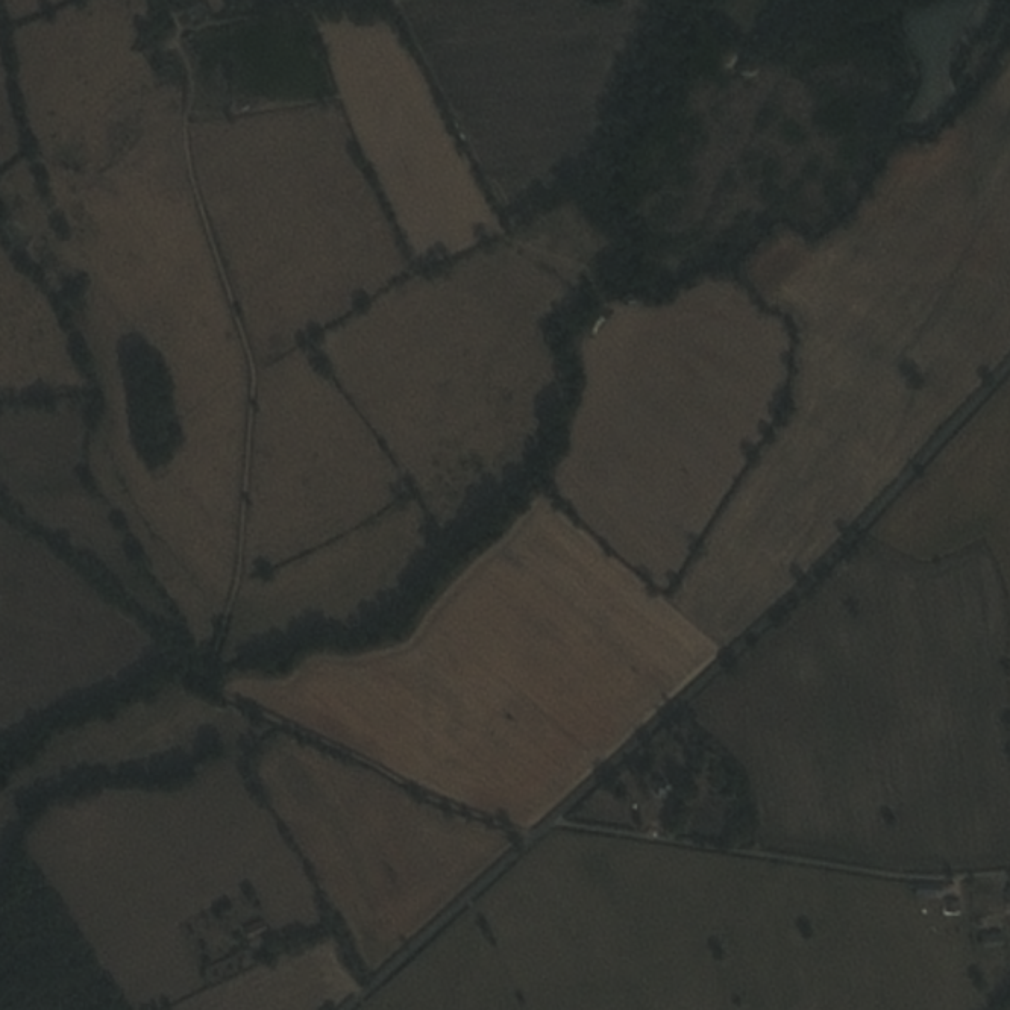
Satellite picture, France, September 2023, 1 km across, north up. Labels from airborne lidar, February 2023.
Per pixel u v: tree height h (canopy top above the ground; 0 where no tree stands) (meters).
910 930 0
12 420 0
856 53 0
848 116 0
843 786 0
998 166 0
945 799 0
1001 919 0
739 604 0
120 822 0
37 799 16
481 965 0
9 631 0
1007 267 0
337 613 0
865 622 0
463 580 0
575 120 0
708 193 0
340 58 0
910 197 0
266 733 0
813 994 0
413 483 13
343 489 0
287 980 0
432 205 0
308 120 0
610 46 0
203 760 11
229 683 0
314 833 0
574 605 0
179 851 0
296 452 0
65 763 0
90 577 17
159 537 0
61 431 0
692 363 0
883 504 0
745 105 0
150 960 0
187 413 0
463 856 0
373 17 17
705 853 0
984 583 0
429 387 0
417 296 0
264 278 0
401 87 0
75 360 17
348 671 0
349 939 13
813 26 25
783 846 0
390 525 0
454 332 0
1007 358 0
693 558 10
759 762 0
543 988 0
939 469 0
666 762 0
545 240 0
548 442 18
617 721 0
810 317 0
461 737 0
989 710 0
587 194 25
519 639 0
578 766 0
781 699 0
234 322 0
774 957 0
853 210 17
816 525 0
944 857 0
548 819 0
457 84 0
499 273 0
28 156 17
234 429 0
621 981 0
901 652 0
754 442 0
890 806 0
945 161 0
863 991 0
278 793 0
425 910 0
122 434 0
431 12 0
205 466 0
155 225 0
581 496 0
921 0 21
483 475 0
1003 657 0
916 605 0
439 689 0
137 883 0
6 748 16
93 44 0
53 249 0
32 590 0
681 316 0
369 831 0
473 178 12
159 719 0
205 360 0
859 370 0
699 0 19
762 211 0
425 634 0
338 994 0
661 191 0
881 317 0
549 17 0
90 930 0
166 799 0
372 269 0
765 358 0
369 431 0
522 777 0
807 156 0
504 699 0
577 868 0
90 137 0
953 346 0
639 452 0
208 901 0
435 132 0
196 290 0
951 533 0
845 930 0
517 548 0
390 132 0
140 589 0
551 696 0
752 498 0
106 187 0
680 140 0
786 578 0
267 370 0
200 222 0
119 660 0
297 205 0
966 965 0
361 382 0
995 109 0
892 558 0
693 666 0
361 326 0
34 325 0
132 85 0
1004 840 0
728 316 0
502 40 0
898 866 0
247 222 0
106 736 0
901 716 0
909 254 0
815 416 0
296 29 0
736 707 0
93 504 0
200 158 0
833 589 0
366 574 0
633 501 0
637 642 0
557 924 0
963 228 0
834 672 0
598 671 0
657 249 0
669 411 0
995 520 0
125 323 0
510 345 0
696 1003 0
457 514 0
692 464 0
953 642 0
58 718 16
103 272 0
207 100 0
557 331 15
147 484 0
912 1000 0
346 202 0
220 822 0
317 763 0
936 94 0
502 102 0
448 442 0
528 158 0
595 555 0
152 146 0
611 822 0
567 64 0
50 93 0
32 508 0
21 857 15
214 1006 0
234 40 0
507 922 0
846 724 0
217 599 0
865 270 0
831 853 0
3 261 0
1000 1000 14
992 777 0
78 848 0
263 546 0
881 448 0
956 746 0
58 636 0
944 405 0
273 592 0
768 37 17
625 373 0
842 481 0
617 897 0
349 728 0
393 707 0
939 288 0
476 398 0
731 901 0
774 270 0
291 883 0
